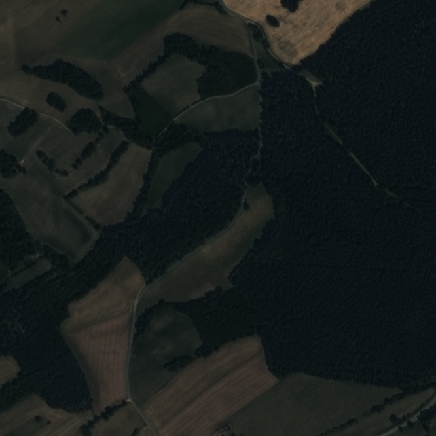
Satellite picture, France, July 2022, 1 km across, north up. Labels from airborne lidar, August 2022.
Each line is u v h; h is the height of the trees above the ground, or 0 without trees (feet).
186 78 0
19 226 44
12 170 54
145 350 0
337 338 60
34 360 73
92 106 0
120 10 0
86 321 0
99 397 0
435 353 84
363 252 68
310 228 44
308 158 81
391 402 47
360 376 82
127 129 66
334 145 80
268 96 74
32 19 0
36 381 76
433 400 0
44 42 0
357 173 80
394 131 93
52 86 0
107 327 0
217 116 0
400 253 78
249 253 20
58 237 0
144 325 68
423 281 83
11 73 0
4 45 0
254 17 0
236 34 0
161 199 0
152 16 0
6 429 0
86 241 0
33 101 0
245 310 31
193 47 60
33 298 53
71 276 45
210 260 0
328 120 27
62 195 0
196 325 30
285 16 0
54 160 21
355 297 75
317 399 0
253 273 59
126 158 0
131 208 0
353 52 81
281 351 74
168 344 0
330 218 55
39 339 69
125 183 0
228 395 0
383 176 81
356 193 58
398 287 51
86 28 0
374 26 94
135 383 0
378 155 86
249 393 0
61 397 113
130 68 0
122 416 0
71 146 0
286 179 76
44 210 0
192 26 0
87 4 0
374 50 91
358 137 91
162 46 0
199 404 0
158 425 0
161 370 0
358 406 0
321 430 0
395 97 102
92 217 0
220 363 0
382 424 0
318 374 69
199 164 69
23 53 0
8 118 0
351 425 29
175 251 56
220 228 55
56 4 0
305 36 0
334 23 0
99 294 0
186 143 21
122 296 0
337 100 104
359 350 77
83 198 0
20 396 30
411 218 90
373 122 104
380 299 70
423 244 96
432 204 61
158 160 43
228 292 24
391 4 87
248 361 0
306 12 0
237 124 0
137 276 0
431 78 105
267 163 80
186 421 0
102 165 0
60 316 44
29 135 0
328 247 56
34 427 0
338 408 0
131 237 74
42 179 0
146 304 0
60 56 0
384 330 80
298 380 0
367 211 69
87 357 0
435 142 83
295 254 68
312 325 73
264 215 0
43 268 0
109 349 0
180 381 0
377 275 54
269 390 0
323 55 67
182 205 69
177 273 0
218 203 74
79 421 0
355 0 0
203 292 0
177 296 0
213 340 30
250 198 0
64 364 114
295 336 84
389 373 75
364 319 69
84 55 0
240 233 0
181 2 0
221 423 0
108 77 0
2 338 87
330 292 68
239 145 102
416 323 52
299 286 57
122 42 0
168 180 0
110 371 0
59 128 0
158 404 0
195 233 64
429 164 94
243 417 0
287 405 0
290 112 74
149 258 55
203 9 0
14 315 91
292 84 81
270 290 60
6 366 0
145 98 0
